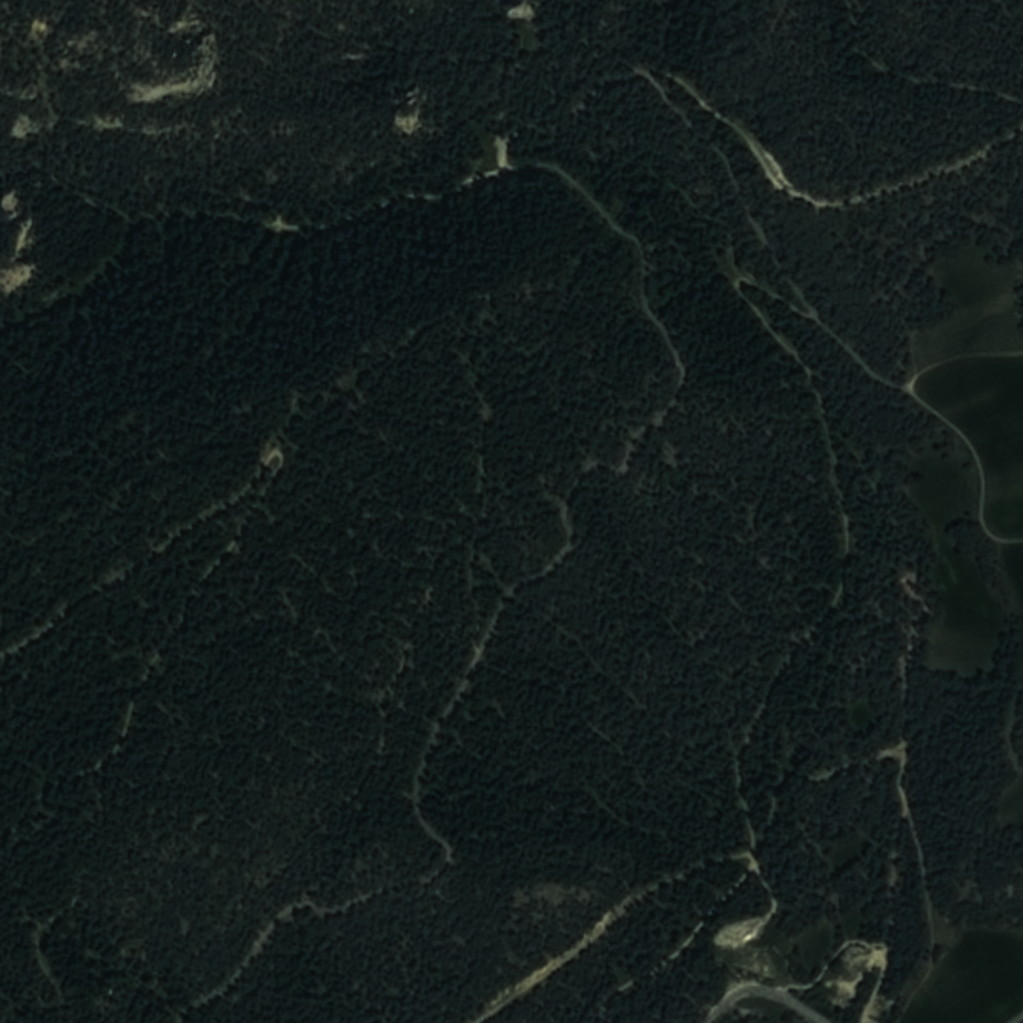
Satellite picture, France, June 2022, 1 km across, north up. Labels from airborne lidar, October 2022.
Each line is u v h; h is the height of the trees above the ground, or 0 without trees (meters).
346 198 20
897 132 14
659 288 8
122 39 9
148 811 17
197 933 12
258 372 29
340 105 17
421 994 13
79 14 12
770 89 17
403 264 30
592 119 19
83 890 12
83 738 18
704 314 15
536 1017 18
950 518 0
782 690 19
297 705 20
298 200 17
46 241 14
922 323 15
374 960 14
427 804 22
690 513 22
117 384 26
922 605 13
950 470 0
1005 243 10
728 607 22
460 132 28
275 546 12
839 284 13
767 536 20
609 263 18
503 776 20
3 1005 25
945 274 0
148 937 7
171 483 27
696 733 18
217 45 9
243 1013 17
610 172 31
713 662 15
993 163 14
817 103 12
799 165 11
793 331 19
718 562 22
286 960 18
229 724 16
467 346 17
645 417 17
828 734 18
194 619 24
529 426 18
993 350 0
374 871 9
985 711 17
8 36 10
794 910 18
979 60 13
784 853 19
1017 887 7
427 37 15
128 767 20
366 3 13
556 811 23
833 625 15
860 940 11
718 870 23
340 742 17
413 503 15
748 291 24
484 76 17
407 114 8
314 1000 24
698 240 18
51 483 11
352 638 17
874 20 17
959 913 9
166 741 19
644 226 23
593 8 14
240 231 12
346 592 16
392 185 17
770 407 13
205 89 8
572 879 13
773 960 0
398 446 22
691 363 15
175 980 19
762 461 16
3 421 23
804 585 22
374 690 23
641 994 19
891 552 18
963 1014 0
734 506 19
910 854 14
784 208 12
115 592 25
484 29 21
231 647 14
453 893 15
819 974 12
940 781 15
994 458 0
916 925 11
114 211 7
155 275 29
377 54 17
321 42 16
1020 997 0
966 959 0
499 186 25
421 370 24
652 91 23
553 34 23
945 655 0
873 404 16
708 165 16
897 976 14
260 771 14
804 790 23
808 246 15
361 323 12
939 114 8
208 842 10
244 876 14
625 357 18
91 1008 13
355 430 17
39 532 18
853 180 14
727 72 13
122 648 12
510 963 10
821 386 21
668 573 18
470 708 8
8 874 22
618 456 17
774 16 13
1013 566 0
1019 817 0
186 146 10
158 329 29
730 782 15
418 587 13
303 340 25
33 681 19
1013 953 0
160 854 16
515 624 15
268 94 13
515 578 16
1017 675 11
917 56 11
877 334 11
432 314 22
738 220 12
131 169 17
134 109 11
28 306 24
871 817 16
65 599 25
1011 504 0
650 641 19
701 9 18
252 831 10
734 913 16
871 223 7
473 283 19
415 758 19
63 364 29
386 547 22
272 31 17
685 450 19
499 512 17
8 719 24
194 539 18
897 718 17
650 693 11
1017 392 0
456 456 22
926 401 0
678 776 15
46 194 17
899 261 13
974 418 0
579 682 17
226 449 28
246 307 28
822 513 21
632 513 15
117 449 12
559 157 17
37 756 24
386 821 15
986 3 17
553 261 17
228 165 22
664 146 18
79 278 23
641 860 11
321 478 21
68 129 15
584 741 21
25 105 10
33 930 22
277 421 20
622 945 21
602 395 20
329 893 20
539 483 19
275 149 20
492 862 16
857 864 16
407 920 20
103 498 25
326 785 14
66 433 21
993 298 0
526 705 17
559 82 18
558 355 21
